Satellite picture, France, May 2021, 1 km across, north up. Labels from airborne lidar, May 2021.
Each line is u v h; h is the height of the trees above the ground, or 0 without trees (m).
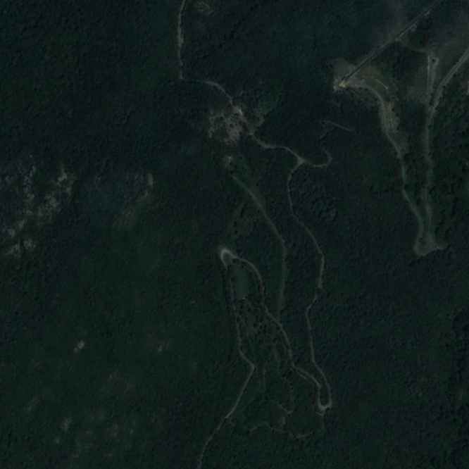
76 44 13
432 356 8
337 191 13
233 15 25
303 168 8
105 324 10
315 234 10
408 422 13
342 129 13
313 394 13
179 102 14
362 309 14
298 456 14
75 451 7
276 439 9
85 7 15
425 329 15
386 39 0
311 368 10
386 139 10
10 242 7
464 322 10
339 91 10
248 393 10
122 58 15
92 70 16
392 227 12
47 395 6
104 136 13
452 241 15
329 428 16
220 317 11
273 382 12
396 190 18
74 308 7
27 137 15
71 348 7
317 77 8
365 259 19
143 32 11
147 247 7
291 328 7
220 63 12
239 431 15
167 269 10
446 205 17
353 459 9
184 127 13
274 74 13
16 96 13
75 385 6
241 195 8
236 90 13
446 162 8
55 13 14
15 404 6
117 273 11
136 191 5
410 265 18
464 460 17
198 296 10
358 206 10
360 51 6
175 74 11
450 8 6
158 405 8
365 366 11
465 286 10
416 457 15
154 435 7
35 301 11
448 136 19
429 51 0
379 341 9
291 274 9
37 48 14
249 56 9
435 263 17
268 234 6
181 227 10
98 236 8
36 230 8
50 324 6
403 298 18
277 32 10
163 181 10
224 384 6
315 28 7
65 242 10
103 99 11
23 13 12
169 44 7
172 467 11
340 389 10
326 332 12
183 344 7
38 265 16
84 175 15
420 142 10
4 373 6
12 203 8
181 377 7
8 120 11
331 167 9
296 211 13
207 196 12
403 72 11
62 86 14
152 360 8
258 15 18
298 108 12
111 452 7
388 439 9
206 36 14
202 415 11
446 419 19
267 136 16
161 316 8
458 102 11
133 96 15
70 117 17
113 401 6
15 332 10
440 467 20
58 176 7
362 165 8
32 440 14
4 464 8
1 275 8
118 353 8
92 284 10
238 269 0
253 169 9
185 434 16
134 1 14
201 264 11
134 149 12
